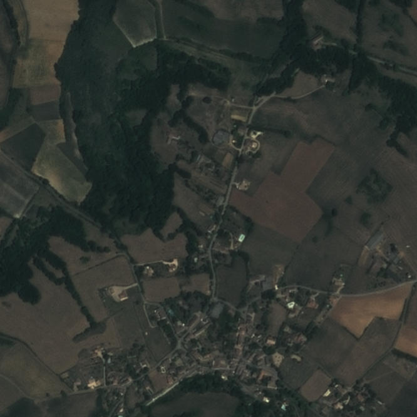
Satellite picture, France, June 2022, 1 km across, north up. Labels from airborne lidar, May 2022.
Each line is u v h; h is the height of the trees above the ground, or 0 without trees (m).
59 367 0
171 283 0
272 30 0
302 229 0
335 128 0
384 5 0
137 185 9
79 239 15
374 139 0
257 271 0
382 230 0
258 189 0
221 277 0
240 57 14
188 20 6
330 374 0
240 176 0
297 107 0
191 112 0
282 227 0
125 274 0
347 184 0
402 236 0
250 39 0
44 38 0
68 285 15
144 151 18
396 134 10
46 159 0
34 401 0
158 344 0
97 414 6
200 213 0
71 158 0
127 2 0
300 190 0
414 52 0
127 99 12
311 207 0
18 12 0
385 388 0
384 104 0
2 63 0
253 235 0
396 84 11
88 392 0
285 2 13
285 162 0
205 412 0
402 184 0
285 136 10
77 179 0
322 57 10
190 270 13
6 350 0
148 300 0
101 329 0
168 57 15
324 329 0
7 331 0
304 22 12
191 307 7
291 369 0
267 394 9
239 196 0
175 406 0
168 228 0
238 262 0
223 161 0
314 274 0
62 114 11
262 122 0
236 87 0
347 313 0
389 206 0
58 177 0
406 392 0
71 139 0
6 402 0
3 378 0
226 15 0
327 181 0
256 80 0
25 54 0
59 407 0
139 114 0
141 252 0
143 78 12
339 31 0
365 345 0
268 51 0
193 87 0
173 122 12
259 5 0
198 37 0
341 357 0
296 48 17
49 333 0
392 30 0
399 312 0
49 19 0
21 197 0
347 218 0
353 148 0
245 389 0
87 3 15
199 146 0
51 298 0
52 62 0
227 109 0
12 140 0
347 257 0
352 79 12
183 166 0
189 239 16
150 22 0
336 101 0
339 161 0
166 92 13
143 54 0
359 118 0
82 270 0
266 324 7
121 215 12
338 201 0
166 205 8
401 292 0
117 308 0
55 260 16
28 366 0
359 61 19
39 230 11
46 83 0
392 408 0
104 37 0
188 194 0
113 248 0
